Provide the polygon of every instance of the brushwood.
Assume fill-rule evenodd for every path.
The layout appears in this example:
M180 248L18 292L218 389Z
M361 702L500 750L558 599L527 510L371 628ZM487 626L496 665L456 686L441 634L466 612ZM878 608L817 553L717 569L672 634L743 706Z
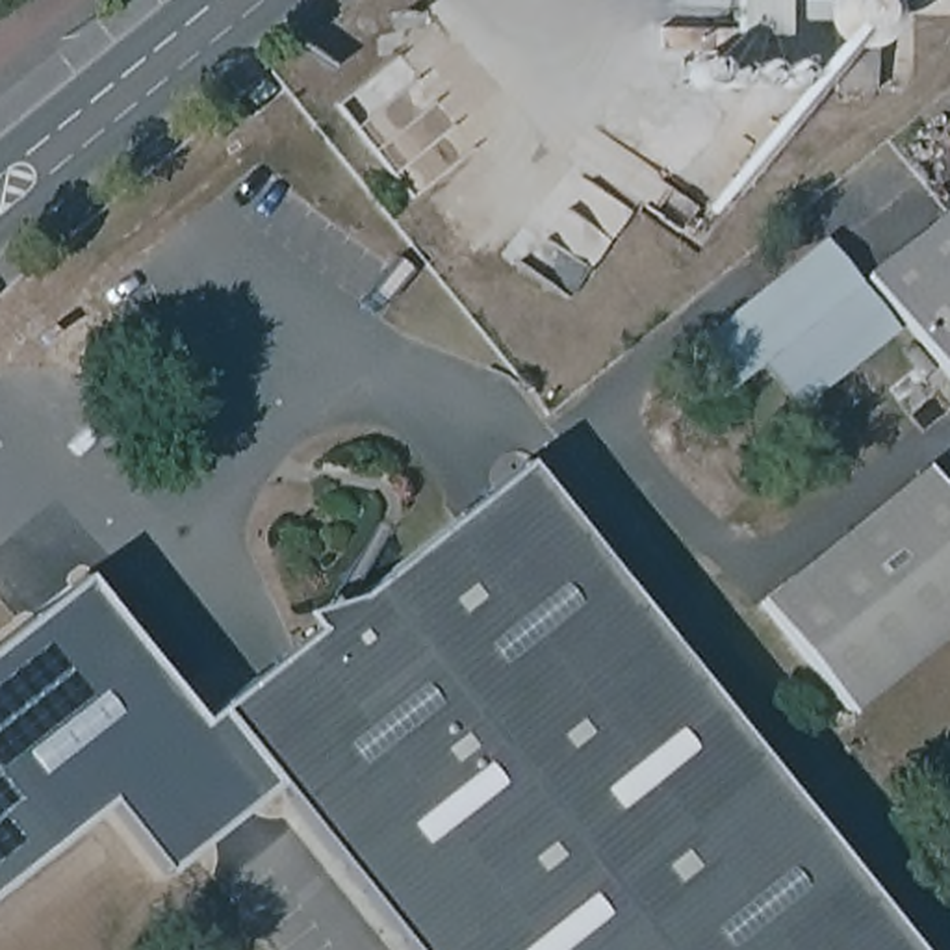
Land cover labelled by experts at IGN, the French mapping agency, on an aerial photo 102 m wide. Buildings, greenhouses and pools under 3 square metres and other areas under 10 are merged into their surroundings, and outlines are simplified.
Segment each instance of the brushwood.
M319 464L345 464L364 475L401 479L397 456L390 456L386 449L360 445L360 438L330 445L319 456Z
M312 508L282 512L271 523L267 538L282 568L286 601L293 605L293 612L312 612L341 597L341 586L349 583L345 571L364 553L371 531L386 516L386 497L379 490L345 486L338 479L315 479Z

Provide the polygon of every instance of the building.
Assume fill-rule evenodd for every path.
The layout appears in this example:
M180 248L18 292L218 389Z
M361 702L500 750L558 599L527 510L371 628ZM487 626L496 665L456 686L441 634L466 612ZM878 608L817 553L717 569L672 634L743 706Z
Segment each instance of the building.
M835 241L816 241L813 249L805 249L802 260L794 260L772 282L735 315L735 360L742 364L735 382L746 390L746 382L761 371L783 382L794 397L835 386L842 375L857 371L861 360L868 360L894 338L894 323L905 323L905 330L935 356L943 379L950 382L950 215L943 215L898 256L883 260L872 275L861 275Z
M11 612L0 601L0 887L15 879L30 861L37 861L48 846L56 846L63 835L71 835L111 798L122 798L171 861L186 857L208 839L219 846L219 861L241 872L260 850L267 850L289 828L286 820L256 816L252 802L267 794L275 783L289 779L423 950L935 950L924 939L924 931L909 920L909 913L894 902L894 894L879 883L879 876L865 865L854 842L839 831L839 824L824 813L824 805L805 790L790 764L776 753L776 746L761 735L761 727L746 716L746 709L731 698L731 690L716 679L716 672L683 638L672 616L642 586L642 579L623 564L612 542L553 475L553 468L542 460L497 460L490 471L486 497L456 512L390 568L367 594L341 597L312 612L308 631L282 627L282 661L256 675L245 690L238 690L223 709L208 709L208 701L174 668L174 661L160 649L160 642L145 631L145 623L130 612L130 605L100 571L89 571L82 564L71 568L63 590L41 612Z
M835 22L839 37L861 45L828 89L842 100L854 100L857 89L868 93L876 82L891 82L894 71L913 74L913 33L928 26L935 15L950 15L950 0L742 0L742 33L750 33L753 26L794 33L794 26L816 19Z
M761 601L761 612L798 653L802 664L813 668L835 690L839 705L861 713L872 698L894 687L909 668L917 668L931 649L939 649L950 638L950 475L939 464L920 471L902 494L879 505L824 557L816 557L805 571L798 571L794 579L776 586L768 601Z

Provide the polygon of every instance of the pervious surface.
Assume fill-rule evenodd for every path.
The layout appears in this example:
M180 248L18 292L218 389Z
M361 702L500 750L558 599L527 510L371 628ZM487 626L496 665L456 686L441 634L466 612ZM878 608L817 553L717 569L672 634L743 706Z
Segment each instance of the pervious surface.
M731 200L757 178L768 156L787 141L798 119L828 89L861 45L839 37L835 22L816 19L794 26L794 33L753 26L750 33L742 33L742 0L404 0L393 11L393 33L379 41L382 71L375 71L360 89L345 89L334 104L338 122L356 137L356 145L375 160L375 167L401 178L408 174L412 186L427 193L434 182L449 182L449 189L438 200L438 212L449 219L449 230L456 238L464 238L475 252L505 256L527 278L542 275L546 293L557 286L564 293L579 293L590 282L590 275L616 263L605 256L605 245L620 234L627 215L646 219L657 234L672 238L675 245L687 245L687 252L698 252L701 241L713 238L713 230L720 230L716 212L731 208Z

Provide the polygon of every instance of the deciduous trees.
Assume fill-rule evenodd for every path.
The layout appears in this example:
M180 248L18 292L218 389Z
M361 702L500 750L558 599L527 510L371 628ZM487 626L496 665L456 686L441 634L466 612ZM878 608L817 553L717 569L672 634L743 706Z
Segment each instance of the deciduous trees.
M119 334L89 330L82 356L82 397L93 442L108 449L115 475L134 494L197 494L208 482L208 468L219 464L219 456L204 449L204 419L215 416L219 367L204 367L197 379L189 379L189 345L182 341L182 334L163 334L148 323L141 330Z
M163 905L141 928L134 950L234 950L234 943L215 924L197 928L186 905Z
M308 45L282 30L267 30L263 37L256 37L256 59L271 71L286 59L297 59Z
M367 174L367 186L390 212L408 208L412 186L408 174L401 178L375 167Z
M122 156L104 156L89 171L89 189L108 212L134 212L134 197L145 193L148 182L134 174Z
M212 100L204 89L174 93L167 108L167 134L186 148L200 148L212 156L226 152L230 130L245 115L238 104Z
M67 245L48 241L41 226L22 226L0 245L0 275L52 275L71 252Z
M783 505L790 520L809 512L816 501L839 494L857 456L846 456L842 445L809 416L790 416L783 408L776 412L768 438L757 438L753 445L742 442L738 482L750 494L761 494L764 505Z
M839 705L835 690L813 668L802 664L783 668L776 687L776 709L798 731L835 731Z
M876 783L891 802L894 831L905 839L913 879L950 909L950 790L943 787L943 776L931 772L924 750L913 750L905 764L898 764L887 779Z
M713 334L698 334L698 341L683 341L683 334L675 334L672 356L657 356L642 393L675 401L683 408L683 427L690 434L709 438L742 427L742 419L753 416L757 393L746 390L735 382L727 382L720 371L720 349Z
M764 215L761 249L750 263L764 271L772 282L794 260L802 260L805 249L798 219L783 215L783 208L776 204Z

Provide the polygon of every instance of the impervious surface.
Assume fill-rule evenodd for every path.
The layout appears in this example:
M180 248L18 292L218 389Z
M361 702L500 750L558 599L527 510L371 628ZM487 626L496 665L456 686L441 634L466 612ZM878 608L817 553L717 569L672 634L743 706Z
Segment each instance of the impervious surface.
M449 512L456 512L486 497L490 471L497 460L542 460L542 449L557 442L568 427L590 423L594 434L620 460L620 468L631 475L631 482L657 508L657 516L690 549L698 568L713 579L713 586L753 627L753 635L783 668L802 664L798 653L761 612L761 601L768 601L776 586L794 579L798 571L805 571L816 557L824 557L879 505L902 494L920 471L939 464L950 475L950 393L943 401L924 401L917 408L917 430L898 430L894 445L865 445L857 456L839 494L816 501L809 512L790 520L787 527L761 538L742 538L731 527L724 527L709 512L709 505L701 505L664 468L657 445L642 434L642 393L657 356L672 356L675 334L683 334L683 341L698 341L698 334L713 334L720 349L720 371L727 382L735 382L742 364L735 360L735 315L772 282L764 271L750 263L727 275L716 289L709 289L672 330L642 338L642 345L635 345L635 356L627 356L594 390L575 386L564 393L560 408L546 408L546 401L553 401L553 390L534 390L520 375L520 367L505 371L501 364L490 364L482 371L456 356L404 341L401 334L382 327L382 297L397 293L412 267L427 267L423 252L404 249L393 234L379 241L364 238L353 226L341 226L338 219L327 219L319 204L308 204L301 193L289 193L286 182L271 182L271 171L260 167L249 182L241 182L234 197L226 197L178 241L163 245L141 271L134 271L126 301L148 323L163 334L182 334L182 341L189 345L189 379L197 379L204 367L219 367L215 416L204 419L204 449L219 456L219 464L208 468L208 482L197 494L134 494L115 475L108 449L93 442L82 397L78 401L56 375L0 375L0 601L11 612L41 612L63 590L71 568L82 564L89 571L100 571L130 605L130 612L145 623L145 631L160 642L160 649L174 661L174 668L208 701L208 709L223 709L238 690L245 690L256 675L282 661L282 627L260 583L256 557L245 542L252 505L293 445L349 423L367 423L371 434L360 438L360 445L386 449L390 456L397 456L401 479L364 475L345 464L319 464L312 464L315 479L338 479L345 486L379 490L386 497L386 516L371 531L364 553L345 571L349 583L341 586L341 597L367 594L390 568L375 564L375 557L382 542L397 531L408 486L423 490L427 475L430 482L445 486Z
M234 943L234 950L423 950L289 779L275 783L267 794L252 802L256 816L286 820L289 828L267 850L260 850L241 872L219 861L219 846L208 839L186 857L171 861L122 798L111 798L71 835L82 839L100 824L111 824L122 846L145 868L145 876L163 887L197 865L208 868L212 879L186 905L197 928L215 924Z
M238 104L245 115L278 96L271 71L256 59L256 37L263 37L267 30L282 30L308 45L323 48L334 59L349 59L356 52L356 37L338 26L338 7L345 0L0 0L0 245L22 226L41 226L48 241L67 245L71 252L82 252L96 238L108 212L89 189L89 171L104 156L122 156L134 174L148 182L174 174L186 163L186 148L167 134L167 108L174 93L204 89L212 100Z
M805 249L813 249L816 241L835 241L861 275L872 275L883 260L898 256L943 215L950 215L950 108L924 111L898 134L898 141L887 137L887 152L894 163L872 167L842 186L835 186L831 174L798 182L776 204L783 208L783 215L798 219Z

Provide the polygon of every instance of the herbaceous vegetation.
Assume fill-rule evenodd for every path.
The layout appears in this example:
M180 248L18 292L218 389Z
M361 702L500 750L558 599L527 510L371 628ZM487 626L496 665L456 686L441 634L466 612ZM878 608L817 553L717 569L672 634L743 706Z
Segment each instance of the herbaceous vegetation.
M367 174L375 167L375 160L356 145L356 137L338 122L334 104L345 89L360 89L375 71L382 71L379 41L393 33L393 11L404 0L345 0L338 7L338 26L356 37L356 52L349 59L334 59L323 48L308 45L297 59L286 59L271 71L278 96L245 115L230 130L226 152L212 156L200 148L186 148L186 163L174 174L148 182L145 193L134 197L134 212L108 212L96 238L82 252L71 252L52 275L0 275L0 375L56 375L78 401L82 397L82 356L89 330L119 334L141 330L148 323L126 301L134 271L141 271L163 245L178 241L226 197L234 197L241 182L249 182L260 167L271 171L271 182L286 182L289 193L301 193L308 204L319 204L327 219L338 219L341 226L353 226L364 238L379 241L393 234L404 249L423 252L427 267L412 267L397 293L382 297L382 327L401 334L404 341L456 356L482 371L490 364L501 364L505 371L520 367L520 375L534 390L553 390L553 401L546 401L546 408L560 408L564 393L575 386L594 390L627 356L635 356L635 345L642 345L642 338L672 330L709 289L716 289L727 275L750 263L761 249L764 215L776 204L798 182L831 174L835 186L842 186L872 167L894 163L887 152L887 137L898 141L898 134L924 111L950 108L950 15L935 15L928 26L913 33L913 74L894 71L891 82L876 82L868 93L857 89L854 100L842 100L828 89L798 119L787 141L768 156L757 178L731 200L731 208L716 212L720 230L713 230L713 238L701 241L698 252L687 252L687 245L675 245L672 238L657 234L646 219L627 215L620 234L605 245L605 256L616 263L590 275L590 282L579 293L564 293L557 286L546 293L542 275L527 278L505 256L475 252L464 238L456 238L449 230L449 219L438 212L438 200L449 189L449 182L434 182L427 193L412 186L408 208L390 212L367 186Z
M894 445L898 430L917 430L917 408L924 401L943 401L950 393L950 382L943 379L935 356L905 330L905 323L894 323L894 338L868 360L861 360L857 371L842 375L835 386L794 397L783 382L761 371L746 382L746 390L757 393L753 416L742 419L742 427L709 438L690 434L683 427L683 408L675 401L642 393L642 434L657 445L664 468L701 505L709 505L709 512L724 527L731 527L742 538L761 538L787 527L790 520L783 505L764 505L761 494L750 494L738 482L742 442L753 445L757 438L768 438L776 412L783 408L790 416L809 416L842 445L846 456L857 456L865 445Z
M427 475L423 490L408 486L397 531L382 542L375 557L375 564L390 568L456 512L449 512L445 486L430 482Z
M657 508L631 482L631 475L620 468L620 460L594 434L590 423L568 427L557 442L542 449L542 460L553 468L553 475L612 542L623 564L642 579L642 586L672 616L683 638L716 672L716 679L731 690L731 698L746 709L746 716L761 727L761 735L776 746L776 753L790 764L805 790L824 805L824 813L839 824L839 831L854 842L865 865L879 876L879 883L894 894L894 902L909 913L909 920L924 931L924 939L935 950L950 950L950 909L913 879L905 839L894 831L891 802L876 783L887 779L898 764L905 764L913 750L924 750L931 772L943 776L943 787L950 790L950 638L939 649L931 649L917 668L909 668L894 687L872 698L861 713L839 705L835 731L798 731L776 709L776 687L783 668L753 635L753 627L713 586L713 579L698 568L690 549L657 516Z
M197 865L163 887L145 876L145 868L122 846L111 824L100 824L82 839L71 835L63 835L56 846L48 846L37 861L30 861L15 879L0 887L0 950L134 950L141 928L163 905L186 905L212 879L208 868Z
M293 445L252 505L245 542L256 557L260 583L282 627L308 631L312 612L293 612L293 605L286 601L282 568L267 538L271 523L282 512L312 508L315 479L312 464L319 464L319 456L330 445L360 438L371 434L367 423L349 423Z

